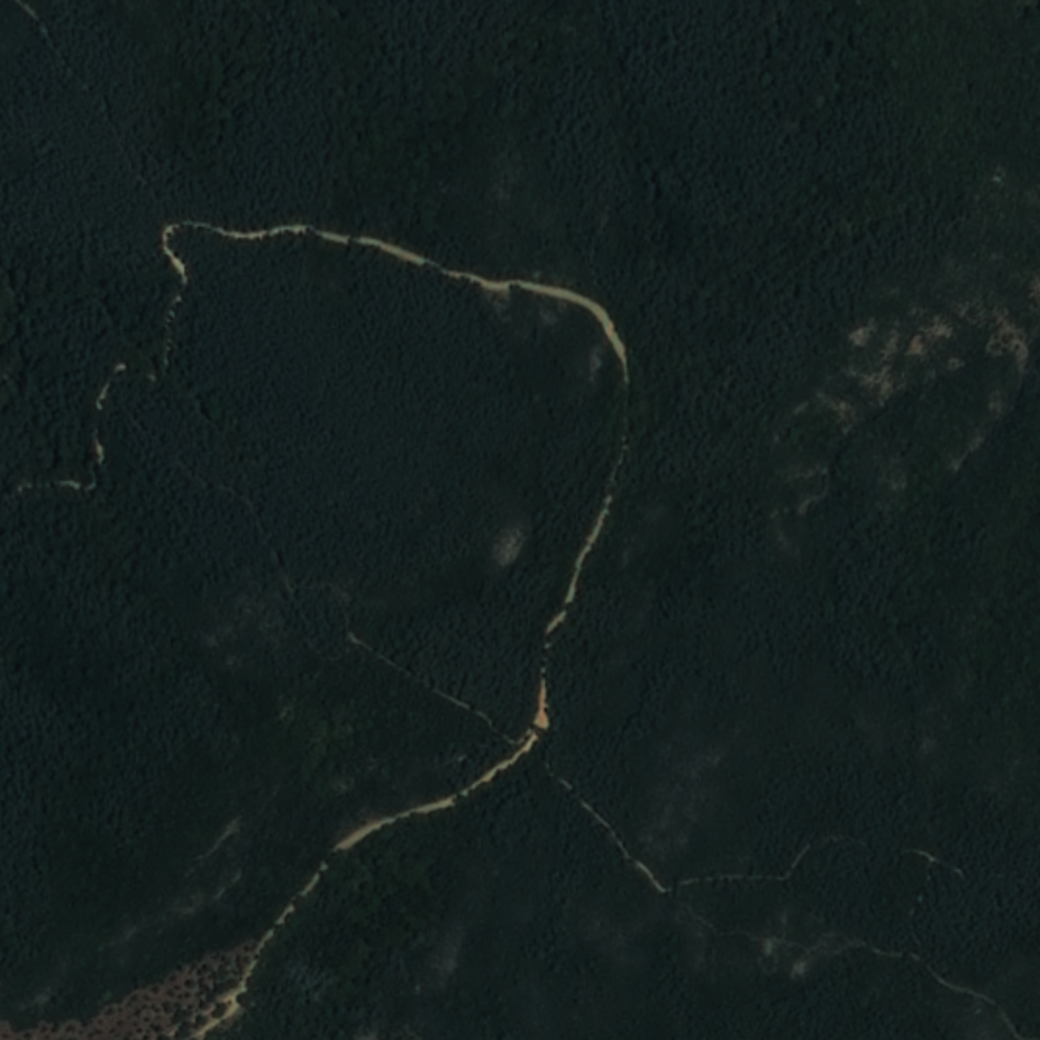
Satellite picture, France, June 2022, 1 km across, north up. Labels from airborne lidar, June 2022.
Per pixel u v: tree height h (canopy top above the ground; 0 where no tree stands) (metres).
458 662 18
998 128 9
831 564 7
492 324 14
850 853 12
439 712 6
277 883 9
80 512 11
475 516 12
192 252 12
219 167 17
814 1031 11
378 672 8
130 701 9
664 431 17
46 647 12
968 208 6
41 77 14
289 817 8
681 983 11
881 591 17
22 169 7
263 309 15
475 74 19
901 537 6
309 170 13
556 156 12
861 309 11
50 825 7
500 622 18
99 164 16
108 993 9
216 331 16
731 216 12
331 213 13
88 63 18
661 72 17
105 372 11
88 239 17
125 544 14
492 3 18
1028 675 5
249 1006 13
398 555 8
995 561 6
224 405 9
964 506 6
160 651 17
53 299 14
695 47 16
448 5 15
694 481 5
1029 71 6
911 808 10
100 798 12
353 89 17
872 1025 9
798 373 13
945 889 11
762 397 16
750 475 14
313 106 15
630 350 8
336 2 20
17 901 7
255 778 12
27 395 23
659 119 6
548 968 6
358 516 10
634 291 14
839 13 18
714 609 9
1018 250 8
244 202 15
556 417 9
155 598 9
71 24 15
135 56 14
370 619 9
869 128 16
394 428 14
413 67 19
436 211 10
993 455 5
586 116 18
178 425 16
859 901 11
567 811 10
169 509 8
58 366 8
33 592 9
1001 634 8
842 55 16
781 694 8
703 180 16
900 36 11
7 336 21
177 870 7
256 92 17
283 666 9
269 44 16
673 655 11
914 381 6
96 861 10
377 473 11
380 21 19
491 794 11
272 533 14
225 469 16
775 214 11
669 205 16
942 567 9
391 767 7
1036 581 9
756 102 15
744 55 8
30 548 14
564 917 12
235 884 6
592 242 12
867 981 7
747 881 10
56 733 17
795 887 6
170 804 8
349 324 11
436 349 13
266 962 12
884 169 14
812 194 9
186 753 7
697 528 17
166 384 15
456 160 6
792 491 6
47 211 16
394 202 6
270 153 14
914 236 14
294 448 12
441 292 14
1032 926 14
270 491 13
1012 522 7
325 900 16
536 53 12
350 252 13
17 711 14
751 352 18
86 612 16
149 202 16
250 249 14
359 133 7
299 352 12
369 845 10
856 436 5
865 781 12
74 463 17
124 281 12
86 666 9
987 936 16
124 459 6
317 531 11
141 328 19
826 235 16
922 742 7
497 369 12
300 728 9
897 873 7
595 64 13
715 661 6
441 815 6
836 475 10
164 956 6
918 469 12
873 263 12
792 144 21
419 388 14
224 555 14
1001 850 13
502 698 17
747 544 12
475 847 5
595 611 9
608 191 13
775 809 7
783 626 8
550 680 14
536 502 7
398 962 14
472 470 11
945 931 13
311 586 9
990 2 14
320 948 9
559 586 9
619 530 11
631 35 13
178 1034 10
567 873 10
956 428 7
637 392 13
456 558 13
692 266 10
